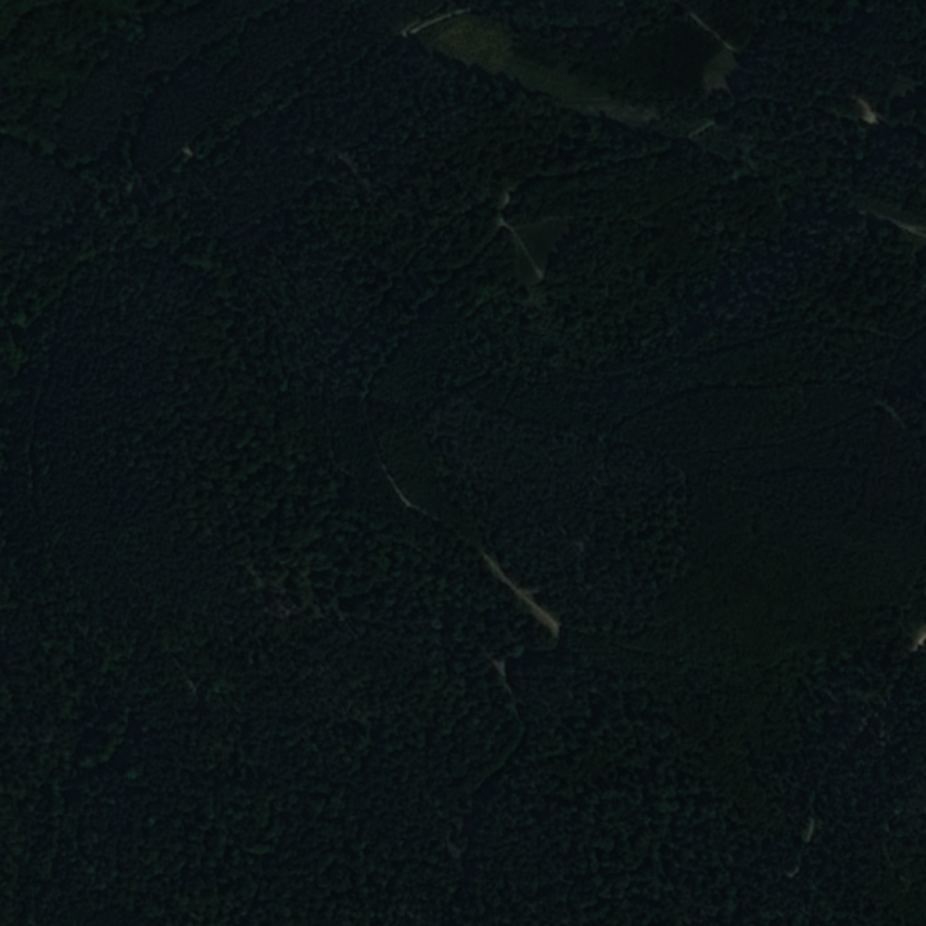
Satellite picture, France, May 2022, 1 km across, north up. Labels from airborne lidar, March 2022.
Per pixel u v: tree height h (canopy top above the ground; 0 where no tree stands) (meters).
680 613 11
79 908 28
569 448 23
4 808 33
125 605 30
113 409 28
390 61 31
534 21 28
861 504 24
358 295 33
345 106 24
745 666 11
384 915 32
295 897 28
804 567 14
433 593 34
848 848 22
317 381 18
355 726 0
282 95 33
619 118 0
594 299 6
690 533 15
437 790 29
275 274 10
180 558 25
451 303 20
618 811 32
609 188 11
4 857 26
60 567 26
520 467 24
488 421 23
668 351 8
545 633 30
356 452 19
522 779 29
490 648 31
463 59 0
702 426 15
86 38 28
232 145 26
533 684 28
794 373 13
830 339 10
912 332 7
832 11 17
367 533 38
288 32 28
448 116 35
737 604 13
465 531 21
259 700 30
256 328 17
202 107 35
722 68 0
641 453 12
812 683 30
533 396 14
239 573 29
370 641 26
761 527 15
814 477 23
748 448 14
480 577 28
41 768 32
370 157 35
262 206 31
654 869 29
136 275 30
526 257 0
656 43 10
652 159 13
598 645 12
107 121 36
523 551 28
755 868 32
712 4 8
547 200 14
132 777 28
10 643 36
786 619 16
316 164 28
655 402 10
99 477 24
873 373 14
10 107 28
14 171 35
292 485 33
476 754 34
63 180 36
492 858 25
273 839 31
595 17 26
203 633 24
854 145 37
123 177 30
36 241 35
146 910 15
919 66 29
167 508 22
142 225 27
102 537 23
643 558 26
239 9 37
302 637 9
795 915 16
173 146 32
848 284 15
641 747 32
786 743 15
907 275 12
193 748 28
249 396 33
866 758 30
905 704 28
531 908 27
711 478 20
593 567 21
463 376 10
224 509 32
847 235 39
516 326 6
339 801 32
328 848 35
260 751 29
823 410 13
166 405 27
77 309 30
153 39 36
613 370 7
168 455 25
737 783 14
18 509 28
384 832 33
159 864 33
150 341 32
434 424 7
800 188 9
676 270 8
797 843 31
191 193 29
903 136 32
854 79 26
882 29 29
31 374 29
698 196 8
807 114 25
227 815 38
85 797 29
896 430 25
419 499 14
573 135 7
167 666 25
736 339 9
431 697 30
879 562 14
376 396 8
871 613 15
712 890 25
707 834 29
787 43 25
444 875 32
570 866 34
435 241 9
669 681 11
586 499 26
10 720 34
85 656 33
